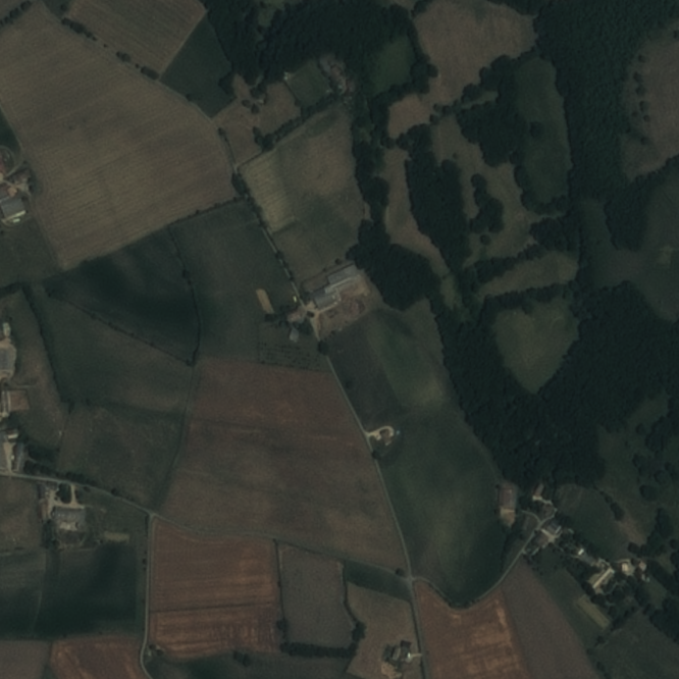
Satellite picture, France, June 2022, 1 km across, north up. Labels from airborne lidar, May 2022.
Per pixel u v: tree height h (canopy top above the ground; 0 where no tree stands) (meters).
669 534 16
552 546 7
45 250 0
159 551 0
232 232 0
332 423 0
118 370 0
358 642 8
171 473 0
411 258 25
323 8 24
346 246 0
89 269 0
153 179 0
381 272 23
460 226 27
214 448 0
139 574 0
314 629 0
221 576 0
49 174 0
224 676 0
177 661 0
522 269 0
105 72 0
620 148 8
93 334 0
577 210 21
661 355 22
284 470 0
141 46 0
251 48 23
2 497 0
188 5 0
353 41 19
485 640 0
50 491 0
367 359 0
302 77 0
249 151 0
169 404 0
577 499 0
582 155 17
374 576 0
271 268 0
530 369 0
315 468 0
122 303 0
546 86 0
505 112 14
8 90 0
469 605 9
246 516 0
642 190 17
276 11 0
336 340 0
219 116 0
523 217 0
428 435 0
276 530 0
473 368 25
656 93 0
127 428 0
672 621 26
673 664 0
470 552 0
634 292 18
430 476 0
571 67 25
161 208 0
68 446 0
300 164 0
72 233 0
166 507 0
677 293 0
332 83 9
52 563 0
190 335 0
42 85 0
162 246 0
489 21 0
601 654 0
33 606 0
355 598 0
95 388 0
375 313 0
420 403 0
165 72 0
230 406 0
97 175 0
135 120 0
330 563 0
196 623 0
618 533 0
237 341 0
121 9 0
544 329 0
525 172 24
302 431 0
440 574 0
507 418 24
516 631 0
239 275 0
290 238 0
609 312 25
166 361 0
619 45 10
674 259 0
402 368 0
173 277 0
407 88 18
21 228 0
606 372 16
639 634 0
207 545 0
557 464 17
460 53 0
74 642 0
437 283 19
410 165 20
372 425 0
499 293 0
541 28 22
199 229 0
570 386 24
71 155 0
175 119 0
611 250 0
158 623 0
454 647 0
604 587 11
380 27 16
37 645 0
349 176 0
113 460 0
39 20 0
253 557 0
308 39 22
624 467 0
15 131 0
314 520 0
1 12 0
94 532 0
